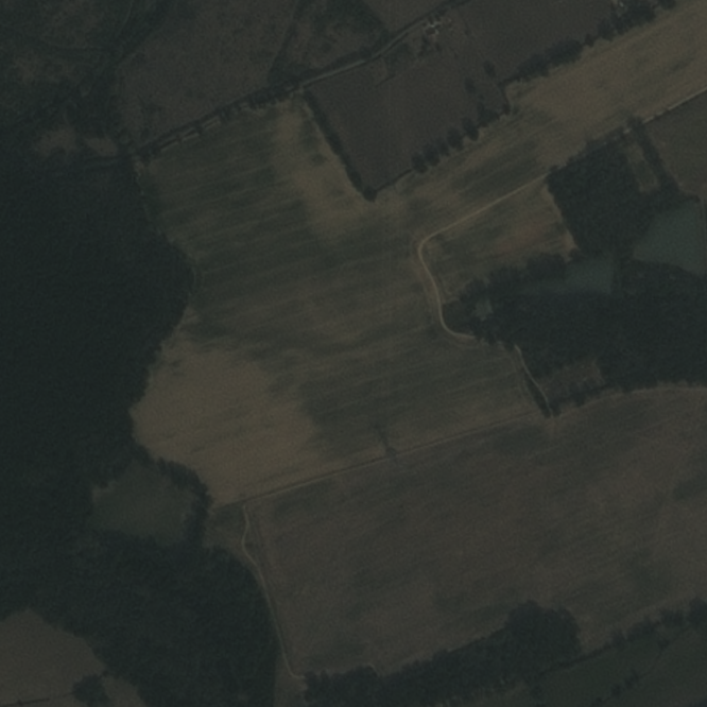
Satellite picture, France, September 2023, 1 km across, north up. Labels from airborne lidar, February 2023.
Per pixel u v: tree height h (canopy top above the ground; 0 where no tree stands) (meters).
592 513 0
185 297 14
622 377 18
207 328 0
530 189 0
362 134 0
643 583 0
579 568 0
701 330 19
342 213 0
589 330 15
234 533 0
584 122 0
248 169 0
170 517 0
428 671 19
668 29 0
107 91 16
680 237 0
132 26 8
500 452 0
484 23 0
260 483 0
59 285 21
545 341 11
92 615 24
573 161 10
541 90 0
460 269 0
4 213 17
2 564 22
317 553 0
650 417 0
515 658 19
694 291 10
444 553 0
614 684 0
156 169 0
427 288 0
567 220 20
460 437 0
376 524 0
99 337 24
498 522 0
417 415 0
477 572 0
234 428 0
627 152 0
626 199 20
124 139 10
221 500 0
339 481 0
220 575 22
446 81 0
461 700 21
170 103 0
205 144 0
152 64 0
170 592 22
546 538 0
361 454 0
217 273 0
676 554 0
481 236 0
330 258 0
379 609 0
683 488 0
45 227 23
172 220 0
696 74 0
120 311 19
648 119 0
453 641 0
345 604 0
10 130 7
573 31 0
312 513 0
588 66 0
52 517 16
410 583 0
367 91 0
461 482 0
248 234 0
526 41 0
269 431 0
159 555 17
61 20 0
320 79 0
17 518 18
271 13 0
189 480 17
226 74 0
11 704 0
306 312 0
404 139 0
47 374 21
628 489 0
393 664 0
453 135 15
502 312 23
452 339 0
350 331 0
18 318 23
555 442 0
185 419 0
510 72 0
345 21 0
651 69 0
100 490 0
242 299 0
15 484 24
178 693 21
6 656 0
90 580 18
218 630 22
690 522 0
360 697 23
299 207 0
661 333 12
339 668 0
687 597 0
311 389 0
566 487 0
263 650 12
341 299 0
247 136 0
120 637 25
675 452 0
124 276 22
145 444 0
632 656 0
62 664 0
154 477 0
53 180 17
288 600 0
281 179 0
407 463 0
